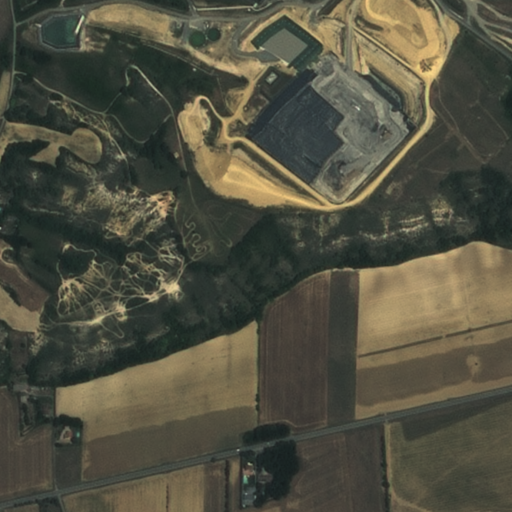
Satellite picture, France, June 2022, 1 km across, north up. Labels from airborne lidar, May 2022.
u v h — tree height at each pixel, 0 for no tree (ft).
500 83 0
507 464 0
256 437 42
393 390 0
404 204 0
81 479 0
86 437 0
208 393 0
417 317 0
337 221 0
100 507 0
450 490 0
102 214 0
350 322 0
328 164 0
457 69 0
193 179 0
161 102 0
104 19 0
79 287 0
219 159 0
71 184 0
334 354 0
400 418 0
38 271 0
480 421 0
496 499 0
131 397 0
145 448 0
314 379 0
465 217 0
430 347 0
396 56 0
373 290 0
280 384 0
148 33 0
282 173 0
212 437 0
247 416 0
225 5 0
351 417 0
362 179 0
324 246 0
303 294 0
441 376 0
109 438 0
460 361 0
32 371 24
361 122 0
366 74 0
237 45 0
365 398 0
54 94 27
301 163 0
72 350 0
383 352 0
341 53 0
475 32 0
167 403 0
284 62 0
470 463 0
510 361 0
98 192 0
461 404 0
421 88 0
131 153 0
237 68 0
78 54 0
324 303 0
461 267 0
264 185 0
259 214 0
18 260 26
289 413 0
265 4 0
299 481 0
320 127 0
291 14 0
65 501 0
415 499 0
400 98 0
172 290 0
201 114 0
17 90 24
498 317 0
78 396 0
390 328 0
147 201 0
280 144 0
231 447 0
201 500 0
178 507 0
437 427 0
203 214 0
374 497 0
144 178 0
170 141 0
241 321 32
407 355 0
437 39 0
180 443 0
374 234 0
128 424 0
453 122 0
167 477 0
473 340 0
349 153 0
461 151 0
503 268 0
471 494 0
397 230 0
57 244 0
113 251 29
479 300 0
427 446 0
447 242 27
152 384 0
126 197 0
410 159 0
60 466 0
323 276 0
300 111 0
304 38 0
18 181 24
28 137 0
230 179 0
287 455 55
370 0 0
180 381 0
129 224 0
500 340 0
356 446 0
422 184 0
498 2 0
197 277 0
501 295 0
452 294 0
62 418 47
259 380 0
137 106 0
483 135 0
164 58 0
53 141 0
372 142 0
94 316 0
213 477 0
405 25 0
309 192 0
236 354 0
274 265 22
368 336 0
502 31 0
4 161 33
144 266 0
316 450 0
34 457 0
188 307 0
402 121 0
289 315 0
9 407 0
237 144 0
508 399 0
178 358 0
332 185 0
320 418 0
